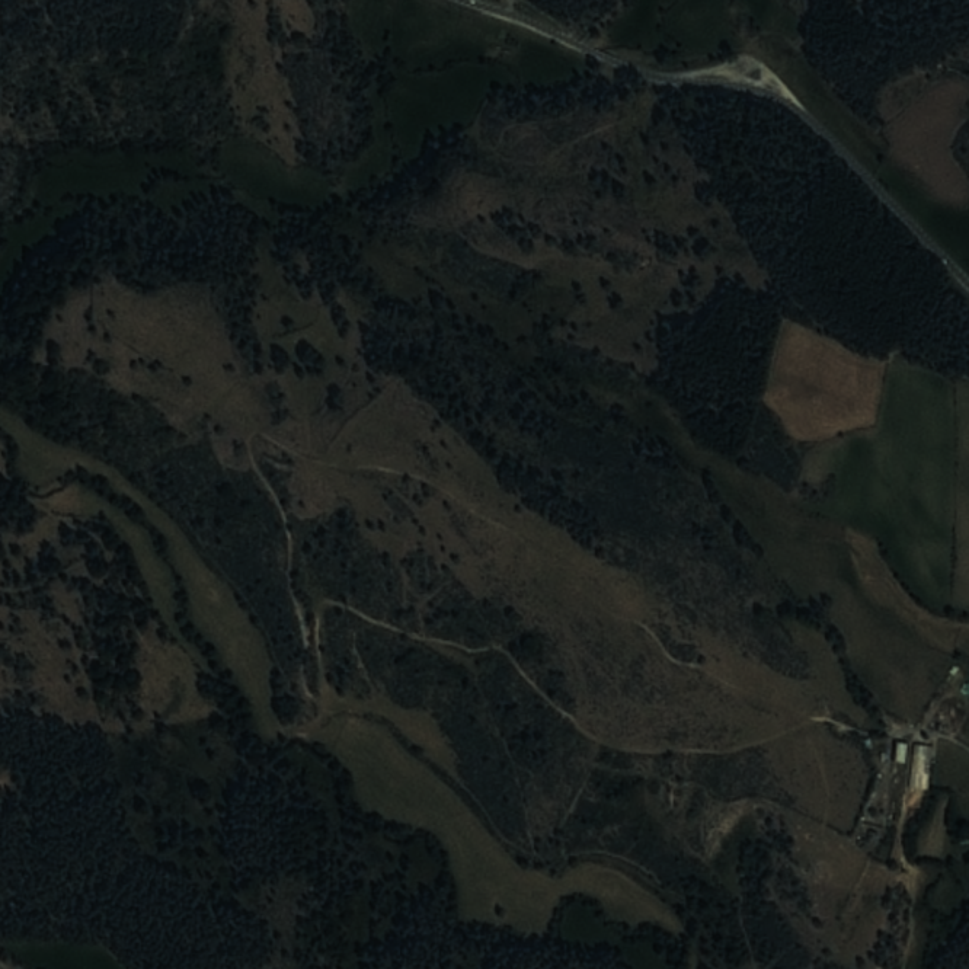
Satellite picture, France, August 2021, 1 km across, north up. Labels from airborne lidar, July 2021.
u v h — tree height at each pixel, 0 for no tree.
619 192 19
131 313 0
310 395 0
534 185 0
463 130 12
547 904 0
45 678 0
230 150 0
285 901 0
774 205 17
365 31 0
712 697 0
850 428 0
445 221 0
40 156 10
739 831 0
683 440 0
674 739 0
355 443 0
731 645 0
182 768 0
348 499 0
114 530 5
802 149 15
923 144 0
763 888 15
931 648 0
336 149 9
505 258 0
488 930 15
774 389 0
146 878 23
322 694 0
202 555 0
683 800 0
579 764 0
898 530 0
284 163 0
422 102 0
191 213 17
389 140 0
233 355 0
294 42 8
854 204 15
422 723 0
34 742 25
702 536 6
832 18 16
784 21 0
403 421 0
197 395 0
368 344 9
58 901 17
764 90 0
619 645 0
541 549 0
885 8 18
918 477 0
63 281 19
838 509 0
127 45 11
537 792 0
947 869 6
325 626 0
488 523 0
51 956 0
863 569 0
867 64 17
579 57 0
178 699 0
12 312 21
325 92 0
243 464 0
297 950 7
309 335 0
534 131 0
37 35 13
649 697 0
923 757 0
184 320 0
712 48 0
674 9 0
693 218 0
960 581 0
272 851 18
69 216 0
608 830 0
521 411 15
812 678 0
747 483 0
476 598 0
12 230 0
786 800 0
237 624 0
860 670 0
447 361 6
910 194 0
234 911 16
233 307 8
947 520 0
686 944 13
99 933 19
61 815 21
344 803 16
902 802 0
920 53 22
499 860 0
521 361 0
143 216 13
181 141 6
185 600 10
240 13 0
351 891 17
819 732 0
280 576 0
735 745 0
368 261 0
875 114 11
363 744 0
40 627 0
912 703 0
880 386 0
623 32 0
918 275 18
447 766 0
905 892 9
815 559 0
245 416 0
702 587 0
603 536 10
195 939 20
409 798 0
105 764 27
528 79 0
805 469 0
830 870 0
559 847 12
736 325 16
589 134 0
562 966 14
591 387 0
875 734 9
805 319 15
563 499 15
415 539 0
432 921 18
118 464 6
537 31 0
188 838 19
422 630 0
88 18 17
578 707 0
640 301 0
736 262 0
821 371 0
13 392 11
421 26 0
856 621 0
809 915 6
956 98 0
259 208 0
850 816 0
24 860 24
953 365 16
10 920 19
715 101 13
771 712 0
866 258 16
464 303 0
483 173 0
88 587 17
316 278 10
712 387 13
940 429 0
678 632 0
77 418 13
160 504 7
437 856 15
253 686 0
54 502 0
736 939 7
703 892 19
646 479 0
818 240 17
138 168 0
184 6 8
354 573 6
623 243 0
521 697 0
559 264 0
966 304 19
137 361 6
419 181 16
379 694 0
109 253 14
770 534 0
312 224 20
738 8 0
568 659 0
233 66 0
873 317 20
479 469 0
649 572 0
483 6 0
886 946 8
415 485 0
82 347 0
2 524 19
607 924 12
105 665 13
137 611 12
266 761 10
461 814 0
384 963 16
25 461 0
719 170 16
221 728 18
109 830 22
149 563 0
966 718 0
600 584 0
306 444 0
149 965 12
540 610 0
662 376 13
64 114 8
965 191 0
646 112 0
